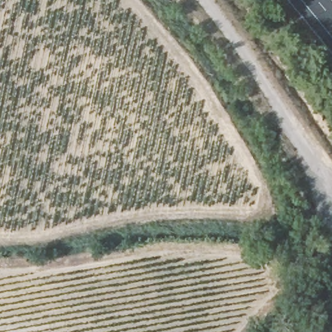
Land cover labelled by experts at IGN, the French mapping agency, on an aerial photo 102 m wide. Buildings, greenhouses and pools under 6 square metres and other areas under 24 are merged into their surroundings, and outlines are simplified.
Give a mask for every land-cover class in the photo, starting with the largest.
<instances>
[{"label":"vineyard","instance_id":"1","mask_svg":"<svg viewBox=\"0 0 332 332\"><path fill-rule=\"evenodd\" d=\"M275 214L270 189L253 157L250 156L248 147L233 127L230 115L224 110L209 82L193 64L188 53L183 51L174 36L157 21L141 0H0V246L49 243L74 233H87L104 227H123L127 223L183 218L268 220ZM280 263L276 259L268 261L261 254L250 252L249 246L241 250L239 245L231 243L215 244L196 240L192 243L160 241L124 252L105 254L99 261L93 259L92 253L84 252L53 259L43 266L31 265L26 258L18 255L0 258V332H246V327L257 328L259 323L265 320V316L274 310L272 297L284 289L283 280L279 279Z\"/></svg>","mask_w":332,"mask_h":332},{"label":"deciduous trees","instance_id":"2","mask_svg":"<svg viewBox=\"0 0 332 332\"><path fill-rule=\"evenodd\" d=\"M157 21L174 36L183 51L188 53L193 64L209 82L224 110L230 115L233 127L248 147L250 156L253 157L270 189L275 214L268 220L183 218L127 223L123 227H104L87 233H74L49 243L0 246V258L18 255L26 258L31 265L43 266L53 259L84 252L92 253L93 259L99 261L105 254L124 252L160 241L192 243L196 240L215 244L231 243L239 245L241 250L249 246L250 252L261 254L268 261L276 259L280 263L279 279L283 280L284 289L272 297L274 310L265 316V320L259 323L257 328L246 327V332H332V226L323 224L318 217H298V206L307 209L309 204L306 200H298L294 195L292 184L284 178V167L279 165V160L285 162L292 156L285 152L279 134L267 130L252 117L255 109L253 102L249 101L248 87L245 86L243 78L232 73L230 65H223L226 54L220 51L218 45L207 43L205 31L198 23L193 22V13H182V6L176 0H141ZM239 8L246 10V17L249 18L240 22L246 38L250 41L254 38L261 39L271 56L278 48L271 43L270 36L263 35L266 27L262 25L267 18L280 21V5L274 4L272 0H233ZM327 52L326 45H315L311 48L310 45L298 40L297 52L290 54L292 66L284 70L289 86L296 89L297 93L305 92L316 113L320 114L323 110L329 112V122H332V80L327 65L323 62L324 53Z\"/></svg>","mask_w":332,"mask_h":332},{"label":"herbaceous vegetation","instance_id":"3","mask_svg":"<svg viewBox=\"0 0 332 332\"><path fill-rule=\"evenodd\" d=\"M274 4L280 5V21L267 18L262 25L266 27L263 35L270 36L271 43L278 48L271 56L261 39L254 38L250 41L246 38L240 22L249 18L246 17V10L239 8L233 0H214L237 34L243 36L239 41L241 47L248 45L254 51L266 73V78L271 80L275 89H279L281 99L287 105L293 104L294 117L302 119L305 130L313 131L316 140L320 141V145L332 158V122H329V112L323 110L320 114L316 113L305 92L297 93L296 89L289 86L284 70L292 66L290 54L297 52L298 40L310 45L311 48L315 45H326L327 52L324 53L323 62L327 65L332 80V45L327 38L306 32L305 26L294 25L293 19L298 16L290 9L288 0H272Z\"/></svg>","mask_w":332,"mask_h":332},{"label":"brushwood","instance_id":"4","mask_svg":"<svg viewBox=\"0 0 332 332\"><path fill-rule=\"evenodd\" d=\"M182 6V13H193V22L198 23L205 31L207 43L218 45L220 51L226 54L223 65H230L232 73L243 78L245 86L248 87L249 101L253 102L255 109L252 117L267 130L279 134L285 152L292 156L285 162L279 160V165L284 167V178L292 184L294 195L298 200H306L309 204L307 209L298 206V217H318L323 224L332 226V202H327L324 193L316 191L315 179L306 174L307 166H303L297 148L287 135L283 134L278 115L272 110L270 101L254 78L253 66L241 60L233 48L232 41L224 38L217 22L210 18L204 6L197 0H176Z\"/></svg>","mask_w":332,"mask_h":332},{"label":"pervious surface","instance_id":"5","mask_svg":"<svg viewBox=\"0 0 332 332\"><path fill-rule=\"evenodd\" d=\"M204 6L210 18L217 22L224 38L232 41L233 48L241 60L253 66L254 78L270 101L272 110L278 115L283 134L287 135L297 148L303 166H307L306 174L315 179L316 191L324 193L327 202H332V158L320 145V141L316 140L313 131L305 130L302 119L294 117L293 104L287 105L281 99L279 89H275L271 80L266 78V73L254 51L248 45L241 47L239 41L243 36L237 34L214 0H197Z\"/></svg>","mask_w":332,"mask_h":332},{"label":"impervious surface","instance_id":"6","mask_svg":"<svg viewBox=\"0 0 332 332\"><path fill-rule=\"evenodd\" d=\"M290 9L298 16L293 19L294 25L305 26L306 32L327 38L332 45V0H288Z\"/></svg>","mask_w":332,"mask_h":332}]
</instances>
